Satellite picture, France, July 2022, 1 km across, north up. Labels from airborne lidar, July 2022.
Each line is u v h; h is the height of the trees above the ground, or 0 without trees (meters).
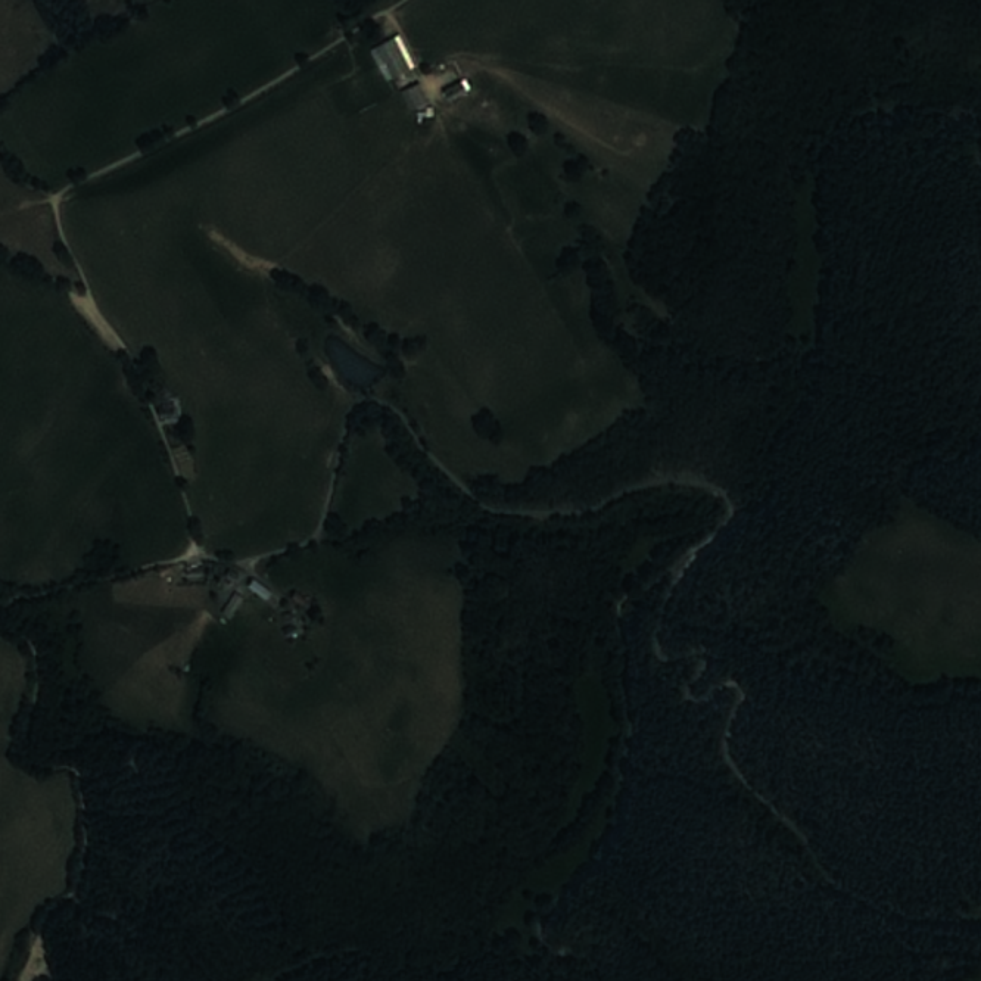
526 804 19
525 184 0
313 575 0
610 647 19
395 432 16
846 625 0
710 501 9
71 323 0
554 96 0
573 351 0
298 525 0
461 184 0
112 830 18
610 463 18
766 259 18
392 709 0
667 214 9
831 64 19
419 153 0
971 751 23
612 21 0
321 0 0
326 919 14
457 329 0
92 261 0
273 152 0
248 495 0
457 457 0
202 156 0
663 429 15
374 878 16
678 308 19
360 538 13
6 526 0
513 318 0
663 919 21
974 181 17
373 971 20
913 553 0
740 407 17
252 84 0
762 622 14
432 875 18
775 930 24
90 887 14
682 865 18
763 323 16
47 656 8
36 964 0
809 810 25
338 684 0
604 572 18
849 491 25
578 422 0
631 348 21
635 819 22
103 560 7
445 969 14
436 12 0
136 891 11
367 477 0
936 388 17
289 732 0
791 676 17
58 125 0
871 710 22
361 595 0
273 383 0
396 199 0
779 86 16
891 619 0
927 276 19
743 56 15
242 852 19
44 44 0
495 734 20
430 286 0
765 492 13
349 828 0
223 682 0
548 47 0
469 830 30
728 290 18
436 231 0
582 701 0
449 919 17
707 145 15
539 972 20
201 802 23
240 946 19
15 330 0
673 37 0
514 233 0
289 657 0
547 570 15
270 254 0
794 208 6
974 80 17
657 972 26
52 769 11
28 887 0
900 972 20
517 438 0
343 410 0
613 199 0
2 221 0
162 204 0
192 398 0
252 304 0
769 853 20
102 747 21
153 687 0
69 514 0
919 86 24
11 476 0
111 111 0
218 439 0
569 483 11
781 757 21
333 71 0
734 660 15
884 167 17
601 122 0
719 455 14
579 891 16
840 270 20
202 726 19
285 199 0
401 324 0
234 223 0
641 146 0
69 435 0
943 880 20
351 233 0
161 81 0
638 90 0
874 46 19
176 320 0
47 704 10
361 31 10
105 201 0
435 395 0
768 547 9
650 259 12
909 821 22
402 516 10
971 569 0
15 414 0
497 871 22
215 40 0
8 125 0
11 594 14
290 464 0
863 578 0
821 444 20
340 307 12
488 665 16
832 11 21
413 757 0
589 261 9
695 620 24
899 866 26
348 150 0
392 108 0
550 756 21
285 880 17
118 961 22
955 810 24
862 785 20
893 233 19
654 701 27
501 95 0
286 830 21
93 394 0
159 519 0
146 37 0
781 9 18
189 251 0
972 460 27
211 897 19
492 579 19
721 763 11
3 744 0
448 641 0
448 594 0
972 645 0
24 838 0
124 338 0
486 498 14
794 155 14
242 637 0
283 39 0
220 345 0
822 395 24
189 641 0
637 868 22
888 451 16
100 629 0
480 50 0
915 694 17
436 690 0
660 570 15
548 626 19
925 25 12
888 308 21
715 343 18
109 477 0
